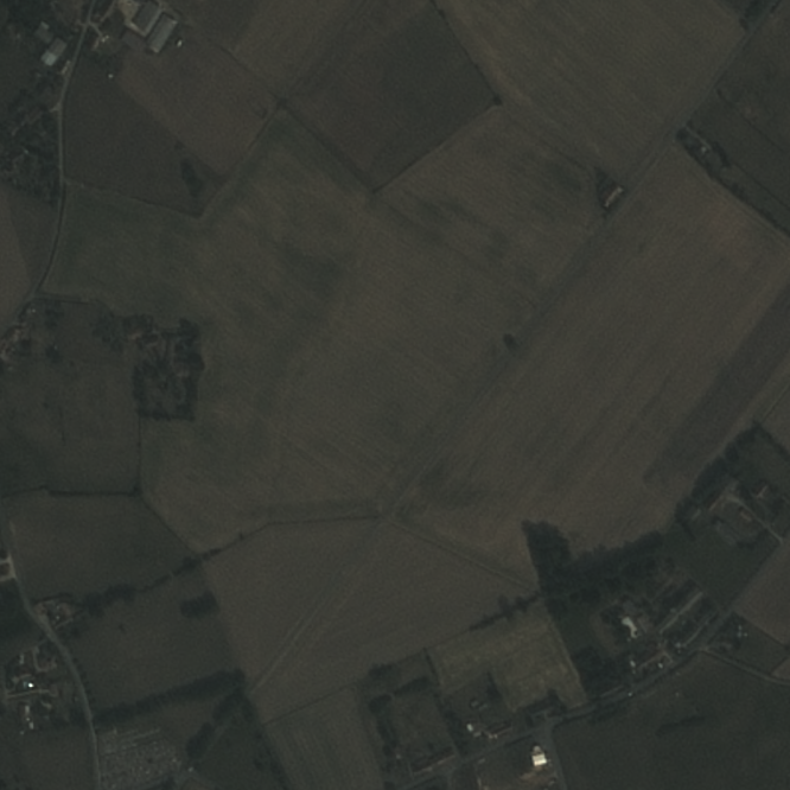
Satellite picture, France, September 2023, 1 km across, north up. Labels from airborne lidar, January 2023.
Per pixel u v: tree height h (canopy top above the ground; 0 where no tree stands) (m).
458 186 0
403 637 0
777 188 0
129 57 0
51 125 15
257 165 0
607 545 0
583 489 0
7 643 0
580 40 0
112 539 0
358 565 0
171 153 0
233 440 0
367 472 0
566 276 0
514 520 0
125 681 0
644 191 0
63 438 0
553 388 0
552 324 0
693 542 0
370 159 0
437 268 0
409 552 0
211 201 0
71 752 0
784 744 0
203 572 0
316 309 0
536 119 0
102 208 0
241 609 0
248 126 0
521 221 0
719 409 0
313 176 0
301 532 0
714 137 0
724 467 19
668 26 0
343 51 0
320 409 0
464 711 0
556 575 12
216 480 0
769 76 0
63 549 0
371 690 0
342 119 0
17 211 0
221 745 0
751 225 0
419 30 0
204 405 0
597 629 0
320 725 0
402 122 0
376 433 0
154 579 0
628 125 0
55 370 0
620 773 0
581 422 0
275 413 0
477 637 0
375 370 0
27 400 0
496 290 0
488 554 0
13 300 0
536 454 0
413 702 0
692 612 0
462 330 0
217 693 14
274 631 0
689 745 0
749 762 0
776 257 0
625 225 0
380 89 0
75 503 0
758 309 0
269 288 0
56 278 0
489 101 0
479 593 0
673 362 0
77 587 0
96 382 0
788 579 0
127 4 0
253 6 0
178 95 0
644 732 0
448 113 0
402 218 0
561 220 0
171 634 0
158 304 0
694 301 0
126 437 0
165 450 0
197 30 0
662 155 0
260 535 0
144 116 0
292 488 0
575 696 0
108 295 0
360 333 0
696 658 0
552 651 0
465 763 0
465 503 0
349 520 0
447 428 0
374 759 0
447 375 0
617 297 0
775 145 0
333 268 0
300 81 0
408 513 0
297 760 0
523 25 0
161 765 0
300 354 0
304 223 0
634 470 0
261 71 0
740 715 0
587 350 0
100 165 0
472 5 0
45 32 0
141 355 0
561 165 0
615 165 0
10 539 0
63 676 0
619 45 0
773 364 0
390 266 0
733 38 0
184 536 0
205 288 0
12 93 0
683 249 0
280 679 0
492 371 0
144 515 0
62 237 0
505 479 0
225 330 0
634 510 0
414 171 0
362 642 0
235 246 0
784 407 0
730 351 0
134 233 0
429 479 0
